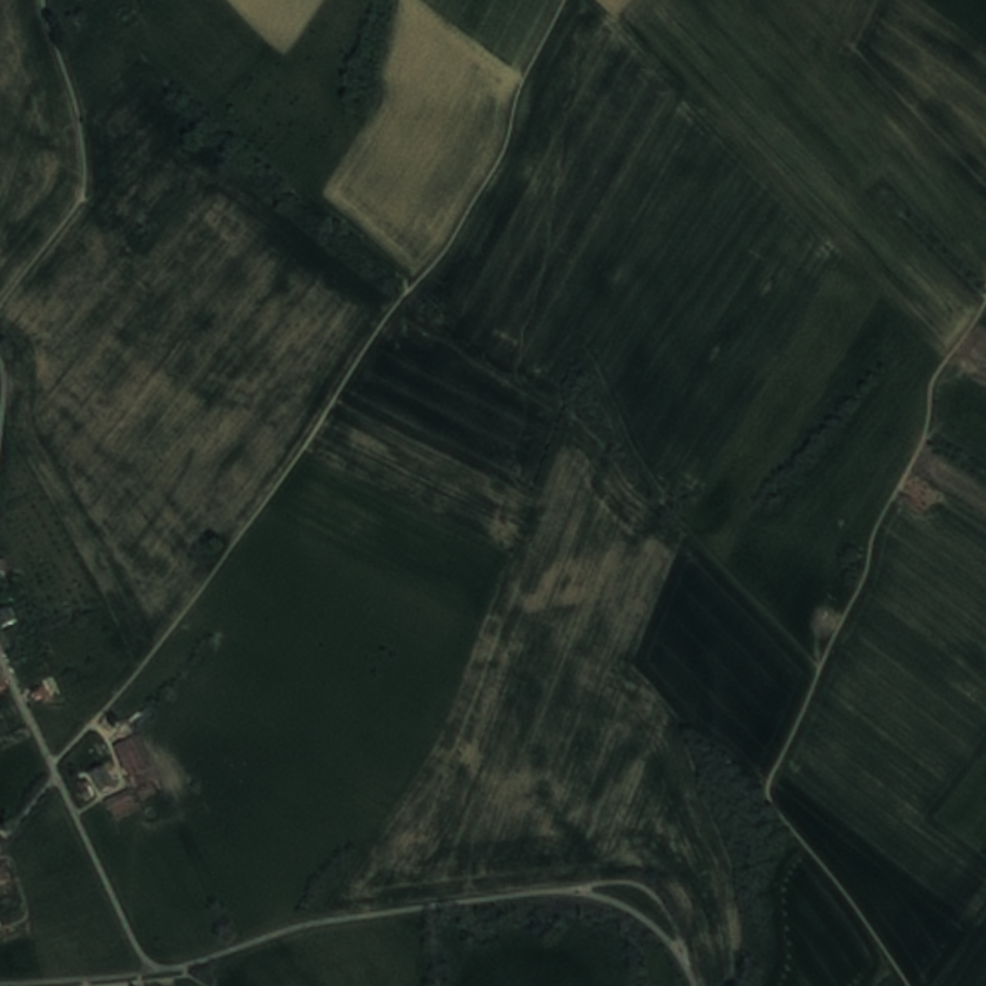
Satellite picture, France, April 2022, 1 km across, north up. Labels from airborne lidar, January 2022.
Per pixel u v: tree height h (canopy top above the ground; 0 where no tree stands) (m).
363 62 15
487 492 0
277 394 0
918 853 0
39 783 7
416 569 0
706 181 0
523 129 0
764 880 14
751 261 0
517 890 0
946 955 0
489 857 0
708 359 0
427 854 0
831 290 0
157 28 0
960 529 0
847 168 0
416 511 0
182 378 0
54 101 0
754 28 0
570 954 0
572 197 0
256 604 0
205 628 0
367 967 0
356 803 0
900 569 0
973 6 0
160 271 0
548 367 0
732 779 14
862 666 0
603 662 0
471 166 0
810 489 0
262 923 0
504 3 0
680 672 0
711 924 0
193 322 0
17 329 0
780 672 0
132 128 0
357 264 8
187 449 0
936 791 0
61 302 0
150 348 0
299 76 0
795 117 0
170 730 0
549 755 0
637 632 0
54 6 0
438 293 0
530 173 0
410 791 0
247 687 0
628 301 0
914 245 0
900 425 0
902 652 0
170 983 0
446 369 0
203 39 0
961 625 0
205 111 7
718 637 0
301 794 0
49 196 0
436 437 0
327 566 0
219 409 0
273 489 0
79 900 0
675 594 0
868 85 0
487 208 0
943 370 0
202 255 0
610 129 0
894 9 0
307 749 0
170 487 0
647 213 0
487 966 0
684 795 0
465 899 0
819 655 0
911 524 0
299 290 0
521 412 0
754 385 0
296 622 0
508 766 0
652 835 0
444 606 0
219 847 0
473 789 0
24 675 0
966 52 0
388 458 0
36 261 0
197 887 0
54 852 0
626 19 0
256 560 0
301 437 0
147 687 0
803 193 0
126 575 0
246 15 0
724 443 0
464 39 0
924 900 0
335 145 0
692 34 0
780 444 0
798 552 0
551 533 0
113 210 0
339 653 0
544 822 0
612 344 0
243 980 0
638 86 0
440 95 0
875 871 0
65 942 0
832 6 0
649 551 0
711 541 0
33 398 0
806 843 0
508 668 0
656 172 0
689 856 0
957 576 0
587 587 0
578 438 0
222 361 0
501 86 0
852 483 0
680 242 0
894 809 0
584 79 0
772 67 0
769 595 0
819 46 0
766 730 0
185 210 0
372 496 0
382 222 0
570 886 0
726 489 0
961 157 0
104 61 0
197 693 0
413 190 0
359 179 0
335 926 0
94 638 0
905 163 0
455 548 0
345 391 0
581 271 0
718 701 0
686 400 0
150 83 0
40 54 0
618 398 0
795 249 0
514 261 0
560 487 0
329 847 0
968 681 0
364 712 0
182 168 0
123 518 0
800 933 0
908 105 0
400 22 0
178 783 0
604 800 0
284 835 0
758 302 0
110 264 0
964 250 0
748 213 0
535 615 0
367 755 0
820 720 0
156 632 0
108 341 0
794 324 0
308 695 0
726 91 0
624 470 9
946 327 0
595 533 0
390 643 0
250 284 0
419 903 0
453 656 0
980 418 0
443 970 15
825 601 0
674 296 0
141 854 0
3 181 0
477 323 0
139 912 0
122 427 0
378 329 0
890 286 0
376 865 0
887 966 0
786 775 0
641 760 0
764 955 0
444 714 0
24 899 0
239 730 0
